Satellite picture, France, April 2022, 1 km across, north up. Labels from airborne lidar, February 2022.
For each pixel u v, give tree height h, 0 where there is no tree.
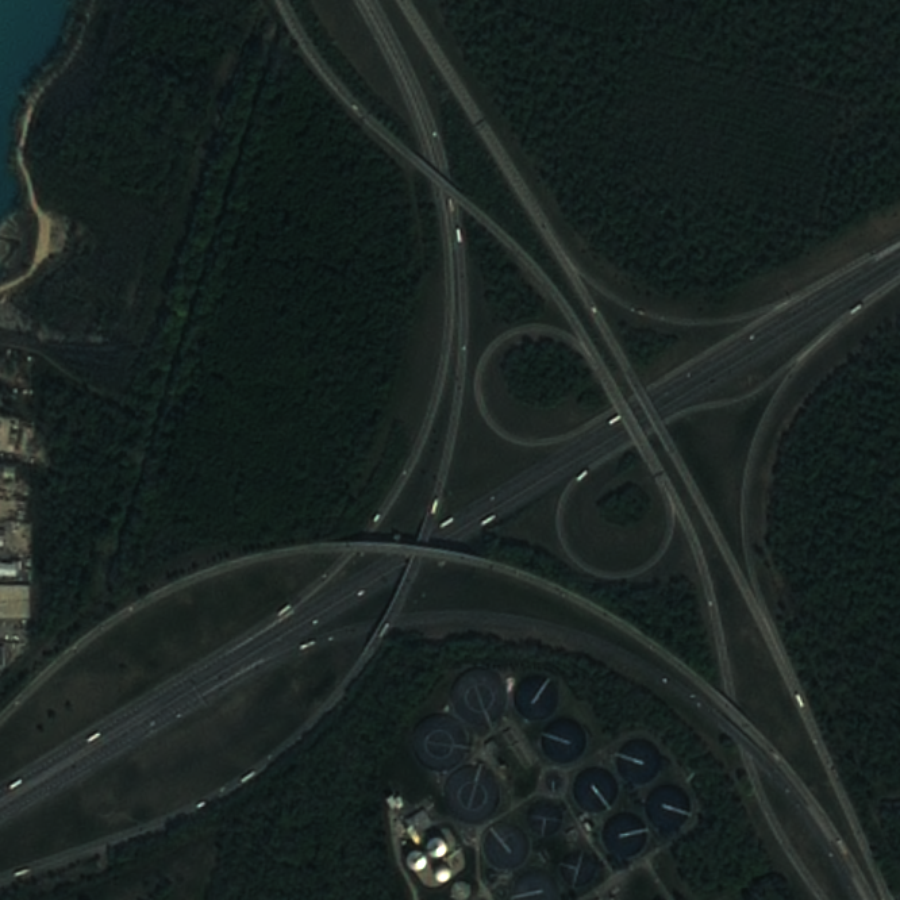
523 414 0
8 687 9
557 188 12
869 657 14
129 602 0
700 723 0
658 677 0
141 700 0
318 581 0
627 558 0
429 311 0
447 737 0
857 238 0
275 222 18
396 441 5
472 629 0
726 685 0
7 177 0
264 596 0
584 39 12
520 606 0
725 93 10
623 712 17
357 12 0
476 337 0
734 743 11
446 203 0
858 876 0
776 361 0
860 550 15
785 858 0
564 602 0
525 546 10
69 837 0
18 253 0
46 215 0
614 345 0
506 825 0
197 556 0
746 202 8
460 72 0
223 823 12
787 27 16
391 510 0
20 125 0
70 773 0
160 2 18
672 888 0
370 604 0
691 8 18
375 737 13
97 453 14
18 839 0
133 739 0
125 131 20
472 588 0
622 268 7
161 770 0
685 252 15
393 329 12
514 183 0
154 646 0
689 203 13
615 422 0
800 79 14
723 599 0
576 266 0
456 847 0
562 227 0
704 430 0
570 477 0
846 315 0
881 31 15
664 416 0
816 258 0
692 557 0
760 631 0
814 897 0
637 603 13
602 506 8
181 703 0
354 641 0
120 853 11
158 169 20
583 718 0
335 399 20
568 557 0
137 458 19
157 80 25
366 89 8
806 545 16
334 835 16
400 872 0
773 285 0
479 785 0
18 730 0
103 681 0
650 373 0
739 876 12
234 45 10
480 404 0
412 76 0
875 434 17
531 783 0
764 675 0
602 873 7
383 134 0
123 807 0
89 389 15
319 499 17
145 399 19
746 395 0
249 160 15
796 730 0
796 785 0
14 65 0
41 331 0
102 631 0
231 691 0
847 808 0
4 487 0
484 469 0
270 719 0
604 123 8
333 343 13
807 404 6
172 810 0
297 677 0
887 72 15
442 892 0
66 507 11
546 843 0
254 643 0
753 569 0
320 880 12
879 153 17
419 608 0
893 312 0
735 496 0
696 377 0
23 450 0
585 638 0
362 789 16
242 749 0
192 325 19
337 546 0
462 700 0
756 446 0
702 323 0
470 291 0
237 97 22
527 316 6
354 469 19
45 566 12
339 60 8
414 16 0
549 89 14
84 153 17
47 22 0
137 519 22
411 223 13
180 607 0
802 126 8
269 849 12
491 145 0
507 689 0
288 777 15
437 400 0
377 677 14
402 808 0
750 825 9
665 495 0
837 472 9
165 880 10
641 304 0
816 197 8
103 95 19
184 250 16
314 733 7
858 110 14
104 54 15
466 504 0
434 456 0
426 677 14
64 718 0
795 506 18
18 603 0
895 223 0
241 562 0
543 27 16
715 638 0
